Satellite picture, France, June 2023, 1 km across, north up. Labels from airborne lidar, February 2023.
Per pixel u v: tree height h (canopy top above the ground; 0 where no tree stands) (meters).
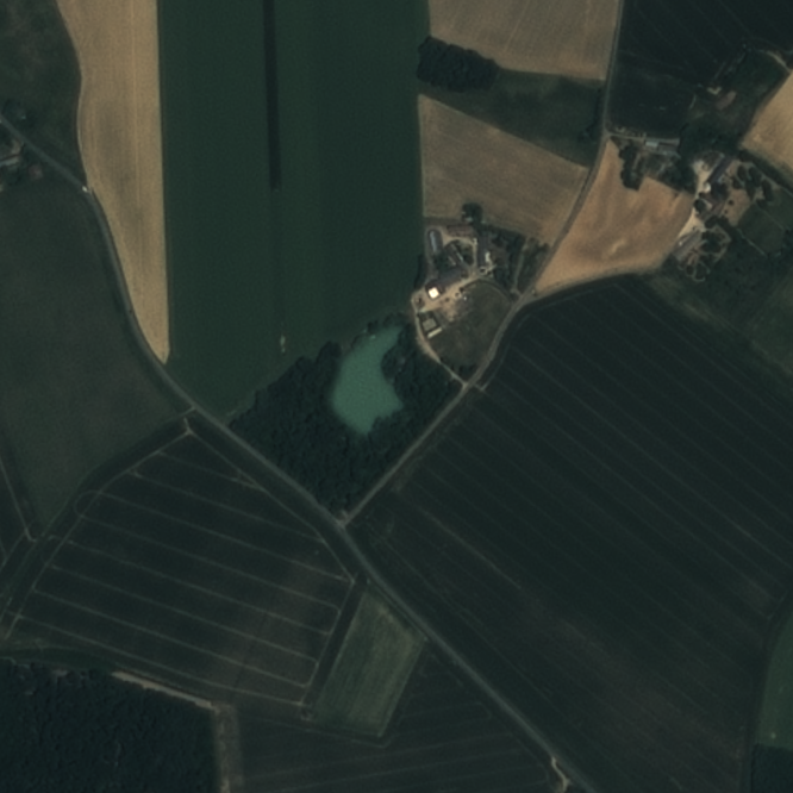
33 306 0
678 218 0
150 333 0
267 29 0
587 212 0
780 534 0
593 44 0
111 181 0
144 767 19
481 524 0
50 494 0
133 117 0
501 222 0
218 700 0
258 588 0
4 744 16
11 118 7
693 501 0
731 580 0
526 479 0
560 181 0
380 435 18
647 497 0
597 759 0
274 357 0
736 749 0
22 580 0
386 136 0
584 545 0
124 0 0
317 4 0
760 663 0
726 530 0
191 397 0
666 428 0
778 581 0
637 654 0
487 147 0
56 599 0
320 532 0
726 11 0
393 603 0
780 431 0
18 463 0
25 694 20
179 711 15
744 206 0
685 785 0
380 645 0
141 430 0
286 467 7
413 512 0
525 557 0
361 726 0
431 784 0
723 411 0
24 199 0
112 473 0
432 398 10
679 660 0
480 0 0
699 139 12
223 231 0
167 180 0
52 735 19
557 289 0
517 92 0
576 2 0
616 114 0
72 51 0
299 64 0
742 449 0
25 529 0
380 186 0
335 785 0
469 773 0
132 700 19
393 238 0
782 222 0
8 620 0
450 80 11
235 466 0
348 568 0
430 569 0
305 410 18
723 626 0
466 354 0
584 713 0
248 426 15
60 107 0
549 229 0
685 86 0
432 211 0
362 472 16
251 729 0
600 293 0
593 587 0
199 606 0
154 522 0
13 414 0
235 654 0
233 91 0
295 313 0
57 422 0
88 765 15
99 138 0
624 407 0
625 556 0
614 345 0
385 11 0
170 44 0
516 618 0
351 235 0
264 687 0
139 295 0
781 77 0
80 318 0
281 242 0
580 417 0
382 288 0
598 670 0
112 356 0
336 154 0
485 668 0
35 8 0
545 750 0
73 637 0
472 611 0
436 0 0
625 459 0
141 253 0
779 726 0
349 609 0
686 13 0
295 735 0
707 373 0
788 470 0
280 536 0
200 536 0
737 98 0
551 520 0
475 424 0
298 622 0
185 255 0
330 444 21
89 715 18
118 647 0
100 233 0
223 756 0
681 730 0
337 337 0
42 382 0
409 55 0
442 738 0
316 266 0
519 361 0
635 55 0
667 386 0
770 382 0
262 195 0
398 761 0
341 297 0
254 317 0
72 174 0
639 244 0
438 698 0
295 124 0
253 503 0
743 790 0
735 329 0
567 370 0
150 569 0
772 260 9
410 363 9
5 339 0
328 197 0
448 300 0
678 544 0
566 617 0
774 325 0
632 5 0
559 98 0
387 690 0
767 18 0
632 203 0
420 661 0
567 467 0
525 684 0
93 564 0
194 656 0
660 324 0
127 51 0
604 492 0
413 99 0
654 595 0
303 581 0
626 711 0
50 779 15
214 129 0
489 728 0
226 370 0
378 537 0
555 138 0
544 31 0
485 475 0
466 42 0
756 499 0
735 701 0
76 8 0
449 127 0
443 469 0
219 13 0
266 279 0
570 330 0
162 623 0
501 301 0
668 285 0
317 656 0
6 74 0
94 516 0
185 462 0
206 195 0
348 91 0
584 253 0
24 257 0
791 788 14
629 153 7
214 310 0
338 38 0
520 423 0
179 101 0
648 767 0
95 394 0
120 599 0
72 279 0
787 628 0
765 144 0
